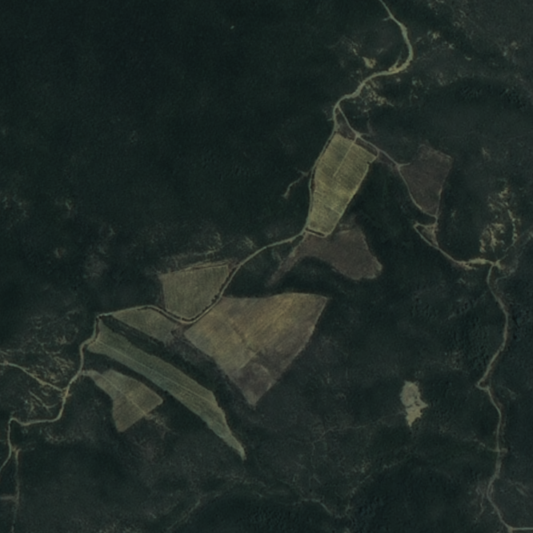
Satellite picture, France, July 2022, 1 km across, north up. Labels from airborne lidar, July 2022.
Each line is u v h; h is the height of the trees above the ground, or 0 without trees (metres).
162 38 6
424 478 5
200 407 0
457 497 7
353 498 6
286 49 7
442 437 8
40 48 6
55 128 7
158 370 0
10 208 6
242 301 0
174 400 11
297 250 0
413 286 6
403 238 5
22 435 6
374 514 14
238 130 5
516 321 20
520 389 5
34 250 7
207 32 6
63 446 6
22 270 6
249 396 0
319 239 0
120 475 6
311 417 0
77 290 14
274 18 8
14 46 6
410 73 0
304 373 0
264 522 13
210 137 6
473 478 7
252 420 0
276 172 9
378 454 6
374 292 6
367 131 0
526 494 0
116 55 7
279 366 0
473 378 6
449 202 6
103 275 6
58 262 8
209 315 0
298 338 0
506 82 6
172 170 10
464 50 6
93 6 6
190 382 0
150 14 8
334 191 0
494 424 6
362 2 8
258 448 8
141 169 5
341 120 0
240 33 6
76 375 0
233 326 0
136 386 0
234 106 6
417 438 9
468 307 14
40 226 7
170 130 6
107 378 0
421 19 6
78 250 6
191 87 6
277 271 0
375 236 8
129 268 6
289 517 8
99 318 7
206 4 7
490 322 7
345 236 0
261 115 6
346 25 5
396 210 6
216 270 0
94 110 6
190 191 7
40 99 6
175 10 6
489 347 9
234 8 8
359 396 8
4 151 6
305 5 8
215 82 6
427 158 0
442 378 6
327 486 9
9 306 7
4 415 6
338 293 6
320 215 0
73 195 9
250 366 0
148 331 0
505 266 0
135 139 8
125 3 6
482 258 0
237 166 6
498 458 0
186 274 0
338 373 0
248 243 0
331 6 8
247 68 5
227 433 0
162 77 7
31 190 6
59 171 8
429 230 0
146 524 6
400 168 0
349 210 8
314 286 9
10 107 6
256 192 6
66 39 6
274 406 0
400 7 7
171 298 0
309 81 6
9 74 7
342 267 0
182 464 0
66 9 5
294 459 0
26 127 5
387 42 0
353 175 0
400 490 5
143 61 6
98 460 6
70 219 7
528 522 0
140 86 5
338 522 9
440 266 6
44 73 7
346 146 0
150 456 0
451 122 0
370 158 0
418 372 5
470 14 7
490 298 6
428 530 6
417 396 0
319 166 0
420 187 0
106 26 6
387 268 7
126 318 0
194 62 6
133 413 0
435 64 0
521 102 12
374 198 7
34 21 7
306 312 0
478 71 0
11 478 6
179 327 0
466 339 7
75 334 7
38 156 5
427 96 6
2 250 6
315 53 6
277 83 5
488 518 0
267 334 0
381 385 6
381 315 6
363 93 0
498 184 6
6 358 0
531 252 6
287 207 5
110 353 0
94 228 7
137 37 6
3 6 5
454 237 6
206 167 9
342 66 9
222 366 0
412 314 8
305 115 5
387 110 6
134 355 0
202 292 0
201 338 0
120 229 6
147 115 6
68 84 6
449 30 6
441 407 8
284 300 0
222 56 7
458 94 6
